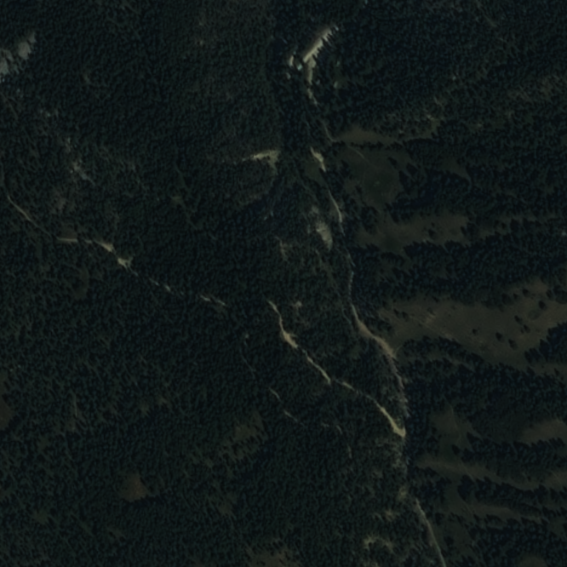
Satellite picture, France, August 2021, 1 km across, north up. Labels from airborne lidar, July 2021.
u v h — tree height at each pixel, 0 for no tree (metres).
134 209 24
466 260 31
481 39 9
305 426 19
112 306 17
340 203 19
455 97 22
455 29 20
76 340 25
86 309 26
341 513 24
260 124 24
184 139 18
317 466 27
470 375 20
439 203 25
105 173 20
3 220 23
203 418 17
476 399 23
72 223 20
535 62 16
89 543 29
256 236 17
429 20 13
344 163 0
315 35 14
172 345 20
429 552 16
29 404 19
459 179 16
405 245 0
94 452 25
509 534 13
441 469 0
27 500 22
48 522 0
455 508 0
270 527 26
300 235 16
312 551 27
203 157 17
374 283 16
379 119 8
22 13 23
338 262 8
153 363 22
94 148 15
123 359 24
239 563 21
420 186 13
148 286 12
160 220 27
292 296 9
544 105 13
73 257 23
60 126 18
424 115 20
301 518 26
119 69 17
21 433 12
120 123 19
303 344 15
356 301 14
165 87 18
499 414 22
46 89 16
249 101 16
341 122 21
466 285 18
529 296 16
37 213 17
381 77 14
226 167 9
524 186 14
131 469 22
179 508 24
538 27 12
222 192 16
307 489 26
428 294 11
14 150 20
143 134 14
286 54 12
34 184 10
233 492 22
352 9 15
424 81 11
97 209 22
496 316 0
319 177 0
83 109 20
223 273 10
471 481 0
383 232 0
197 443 29
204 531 25
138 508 13
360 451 19
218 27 14
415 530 16
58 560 22
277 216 11
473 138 17
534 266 13
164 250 18
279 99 6
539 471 17
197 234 19
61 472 23
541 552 18
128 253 14
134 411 13
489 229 19
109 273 16
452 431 0
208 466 13
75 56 20
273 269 18
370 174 0
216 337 13
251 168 16
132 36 16
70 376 27
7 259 14
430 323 0
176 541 17
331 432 10
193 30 22
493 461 25
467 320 0
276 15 10
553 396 9
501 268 21
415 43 16
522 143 28
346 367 18
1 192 18
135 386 10
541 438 0
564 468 16
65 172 11
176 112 15
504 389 22
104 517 27
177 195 18
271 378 17
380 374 9
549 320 0
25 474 16
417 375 15
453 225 0
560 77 13
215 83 13
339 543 27
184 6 21
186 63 20
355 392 12
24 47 0
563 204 17
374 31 8
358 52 15
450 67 22
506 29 8
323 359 21
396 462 6
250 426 10
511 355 0
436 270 22
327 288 18
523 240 13
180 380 14
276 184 12
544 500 25
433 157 22
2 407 0
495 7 15
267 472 26
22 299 11
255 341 18
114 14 23
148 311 20
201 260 21
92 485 25
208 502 19
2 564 21
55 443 19
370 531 13
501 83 17
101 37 16
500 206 7
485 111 10
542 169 18
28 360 10
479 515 0
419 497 15
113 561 17
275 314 20
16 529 16
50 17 20
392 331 18
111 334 26
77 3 22
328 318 12
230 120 17
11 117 15
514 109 11
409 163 0
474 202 23
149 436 25
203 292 27
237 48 15
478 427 24
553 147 16
